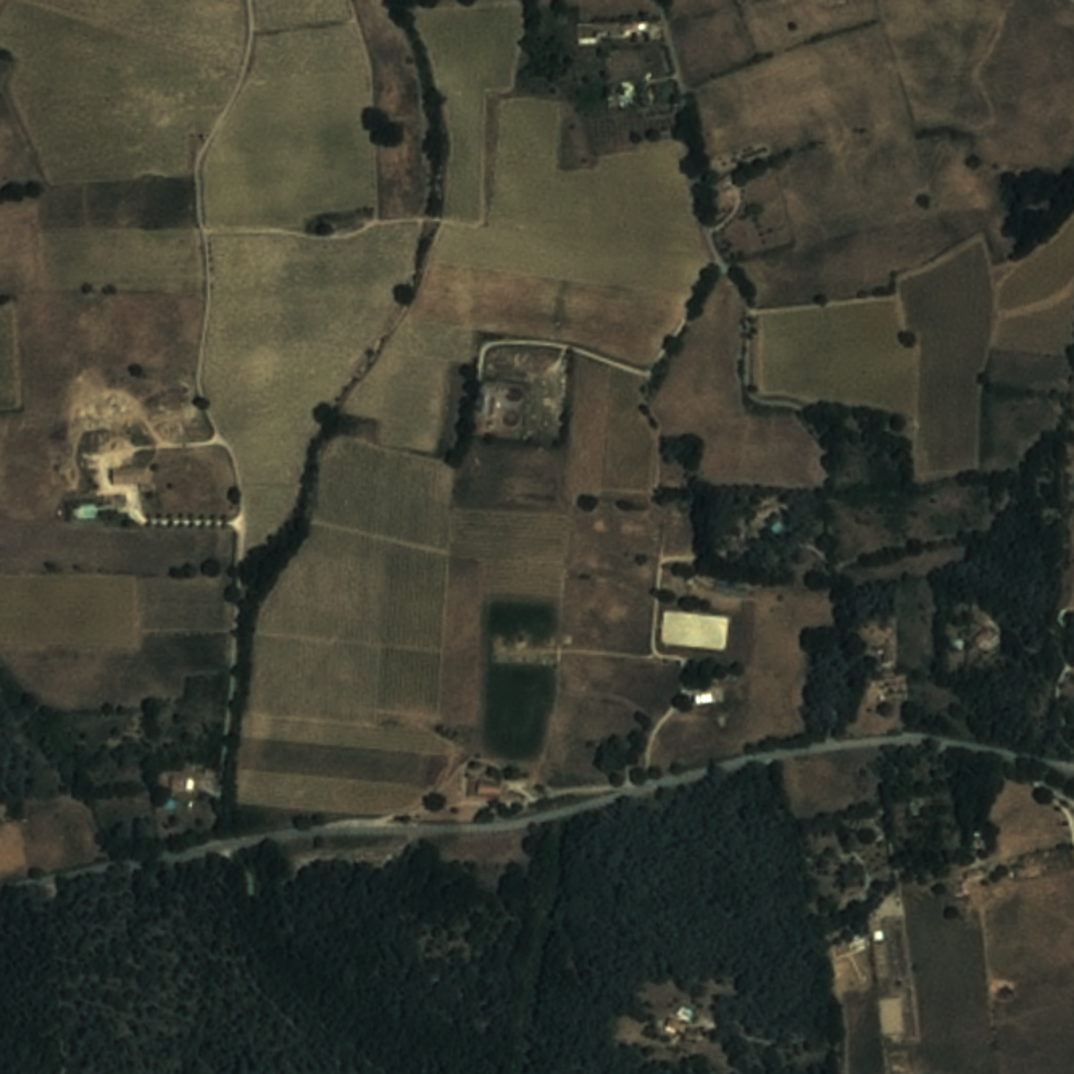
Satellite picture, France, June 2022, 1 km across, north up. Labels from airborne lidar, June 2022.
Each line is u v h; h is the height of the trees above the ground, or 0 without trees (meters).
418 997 17
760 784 18
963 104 0
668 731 0
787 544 20
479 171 0
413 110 0
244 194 0
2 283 0
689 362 0
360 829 0
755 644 0
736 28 0
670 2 11
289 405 0
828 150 0
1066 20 0
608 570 0
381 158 0
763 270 0
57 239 0
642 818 16
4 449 0
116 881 18
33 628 0
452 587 0
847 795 0
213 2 0
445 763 0
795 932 18
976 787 16
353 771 0
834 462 16
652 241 0
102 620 0
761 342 0
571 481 0
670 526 0
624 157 0
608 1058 18
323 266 0
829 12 0
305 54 0
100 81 0
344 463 0
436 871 16
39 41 0
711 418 0
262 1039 8
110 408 0
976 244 0
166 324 0
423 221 0
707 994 19
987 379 9
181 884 14
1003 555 18
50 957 13
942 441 0
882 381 0
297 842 0
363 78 0
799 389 0
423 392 0
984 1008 0
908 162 0
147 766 15
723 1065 0
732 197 0
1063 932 0
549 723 0
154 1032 18
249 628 8
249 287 0
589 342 0
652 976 17
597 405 0
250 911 16
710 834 19
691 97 7
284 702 0
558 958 13
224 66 0
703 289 12
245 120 0
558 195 0
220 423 0
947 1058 0
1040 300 0
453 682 0
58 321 0
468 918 15
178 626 0
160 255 0
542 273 0
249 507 0
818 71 0
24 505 0
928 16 0
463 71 0
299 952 17
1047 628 13
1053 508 11
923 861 8
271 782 0
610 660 0
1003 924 0
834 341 0
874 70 0
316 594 0
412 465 0
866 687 18
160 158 0
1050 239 11
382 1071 9
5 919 10
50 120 0
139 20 0
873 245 0
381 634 0
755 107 0
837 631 11
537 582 0
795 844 14
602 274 0
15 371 0
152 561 0
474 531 0
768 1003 19
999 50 0
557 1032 9
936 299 0
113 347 0
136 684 0
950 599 6
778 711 0
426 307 0
